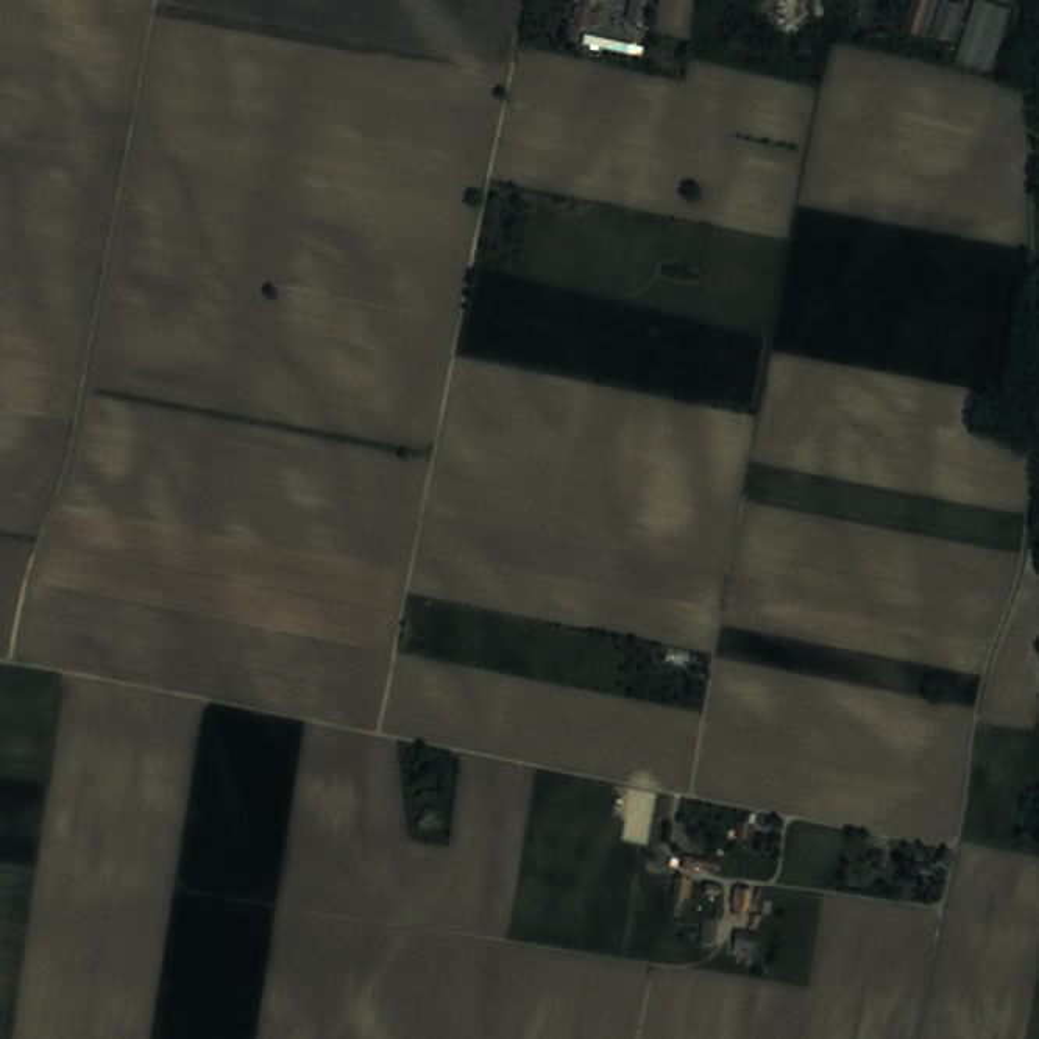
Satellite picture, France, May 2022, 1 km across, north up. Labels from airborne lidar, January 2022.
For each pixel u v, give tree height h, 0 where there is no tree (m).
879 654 0
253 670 0
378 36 0
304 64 0
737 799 0
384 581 0
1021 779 0
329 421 0
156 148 0
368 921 0
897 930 0
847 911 0
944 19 0
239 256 0
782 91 0
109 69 0
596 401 0
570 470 0
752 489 0
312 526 0
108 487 0
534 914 0
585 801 0
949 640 0
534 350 0
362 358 0
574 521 0
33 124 0
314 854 0
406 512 0
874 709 0
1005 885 0
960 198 0
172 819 0
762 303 0
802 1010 0
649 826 0
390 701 0
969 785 0
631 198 0
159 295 0
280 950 0
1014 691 0
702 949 0
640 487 0
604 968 0
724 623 0
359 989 0
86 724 0
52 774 0
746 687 0
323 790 0
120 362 0
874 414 0
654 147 0
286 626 0
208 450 0
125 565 0
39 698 0
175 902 0
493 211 0
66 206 0
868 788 0
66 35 0
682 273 6
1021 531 0
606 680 0
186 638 0
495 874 0
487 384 0
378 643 0
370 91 0
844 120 0
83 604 0
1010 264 0
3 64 0
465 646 0
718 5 0
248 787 0
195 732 0
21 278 0
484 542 0
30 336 0
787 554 0
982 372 0
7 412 0
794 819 0
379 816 0
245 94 0
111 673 0
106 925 0
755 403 0
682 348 0
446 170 0
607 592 0
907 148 0
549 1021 0
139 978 0
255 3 0
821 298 0
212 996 0
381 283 0
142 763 0
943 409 0
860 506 0
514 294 0
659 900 0
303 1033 0
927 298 0
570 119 0
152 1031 0
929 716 0
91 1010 0
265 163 0
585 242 0
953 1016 0
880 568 0
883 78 0
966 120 0
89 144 0
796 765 0
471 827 0
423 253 0
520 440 0
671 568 0
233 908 0
